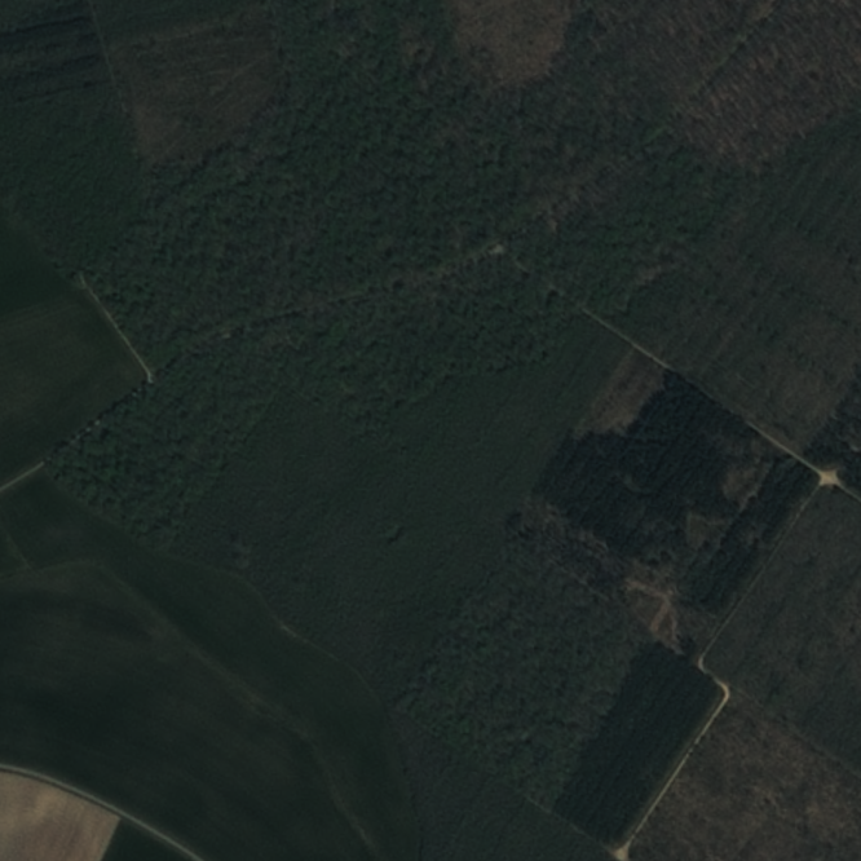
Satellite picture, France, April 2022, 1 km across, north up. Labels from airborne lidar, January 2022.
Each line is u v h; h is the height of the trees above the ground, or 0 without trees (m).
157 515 22
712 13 24
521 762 21
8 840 0
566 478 14
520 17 0
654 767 15
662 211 24
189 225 23
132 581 0
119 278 21
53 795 0
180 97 0
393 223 22
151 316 22
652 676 16
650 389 0
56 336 0
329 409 20
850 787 0
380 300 24
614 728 17
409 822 0
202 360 21
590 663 22
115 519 19
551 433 14
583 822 16
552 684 20
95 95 9
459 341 20
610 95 23
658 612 0
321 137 21
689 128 23
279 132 25
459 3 0
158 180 9
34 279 0
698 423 24
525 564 20
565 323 23
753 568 15
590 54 22
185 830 0
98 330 0
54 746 0
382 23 24
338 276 23
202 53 0
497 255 18
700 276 21
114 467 23
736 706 0
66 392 0
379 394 20
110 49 9
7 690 0
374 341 23
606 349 0
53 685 0
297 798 0
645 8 26
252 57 0
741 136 24
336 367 23
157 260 23
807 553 0
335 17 22
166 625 0
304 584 15
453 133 26
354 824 0
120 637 0
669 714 17
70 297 0
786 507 12
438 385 21
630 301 22
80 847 0
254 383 23
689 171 23
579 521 12
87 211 7
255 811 0
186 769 0
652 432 13
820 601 0
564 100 25
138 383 0
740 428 19
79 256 7
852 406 16
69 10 11
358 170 22
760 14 25
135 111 0
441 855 11
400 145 21
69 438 0
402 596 11
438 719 15
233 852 0
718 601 13
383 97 23
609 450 16
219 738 0
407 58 19
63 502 0
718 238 24
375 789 0
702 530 0
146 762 0
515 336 25
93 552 0
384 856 0
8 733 0
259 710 0
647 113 23
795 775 0
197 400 21
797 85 26
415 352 21
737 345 13
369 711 0
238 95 0
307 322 18
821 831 0
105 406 0
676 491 17
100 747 0
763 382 13
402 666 21
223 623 0
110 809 0
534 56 0
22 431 0
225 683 0
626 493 17
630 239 24
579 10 19
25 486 0
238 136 0
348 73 22
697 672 16
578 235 22
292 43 22
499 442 0
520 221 21
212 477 20
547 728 20
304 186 27
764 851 0
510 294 20
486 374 18
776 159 21
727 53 22
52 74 10
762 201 20
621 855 0
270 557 10
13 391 0
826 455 19
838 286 0
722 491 15
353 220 22
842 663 11
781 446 0
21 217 9
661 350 11
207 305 24
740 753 0
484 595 23
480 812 12
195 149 0
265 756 0
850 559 0
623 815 15
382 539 14
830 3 29
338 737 0
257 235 25
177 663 0
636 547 19
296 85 18
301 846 0
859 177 0
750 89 24
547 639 20
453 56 20
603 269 21
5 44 12
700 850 0
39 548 0
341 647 9
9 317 0
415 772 10
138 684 0
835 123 23
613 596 19
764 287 12
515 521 15
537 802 15
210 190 23
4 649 0
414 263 21
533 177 21
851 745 11
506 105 23
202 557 11
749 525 17
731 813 0
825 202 0
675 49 24
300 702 0
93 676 0
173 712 0
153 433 23
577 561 17
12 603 0
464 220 19
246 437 19
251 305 20
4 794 0
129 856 0
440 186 23
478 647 23
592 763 18
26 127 9
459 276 20
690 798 0
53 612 0
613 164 22
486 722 21
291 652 0
